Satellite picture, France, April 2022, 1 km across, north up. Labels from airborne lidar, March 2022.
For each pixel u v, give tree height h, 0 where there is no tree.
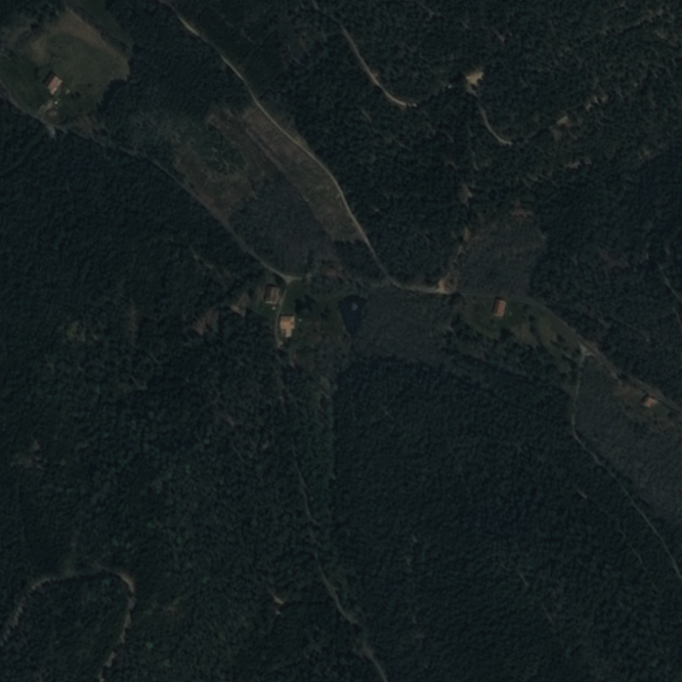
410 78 19
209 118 28
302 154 0
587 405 14
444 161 15
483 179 10
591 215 24
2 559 11
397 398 21
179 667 24
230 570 30
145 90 24
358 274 19
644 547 20
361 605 24
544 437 27
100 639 13
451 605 17
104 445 27
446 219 18
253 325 19
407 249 21
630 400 0
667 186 13
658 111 11
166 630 7
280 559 33
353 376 16
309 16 14
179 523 16
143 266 10
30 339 15
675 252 15
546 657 12
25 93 0
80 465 11
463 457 27
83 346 6
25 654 8
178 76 32
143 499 16
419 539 14
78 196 17
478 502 12
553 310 10
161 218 16
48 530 17
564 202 26
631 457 6
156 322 7
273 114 18
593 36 19
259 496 30
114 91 0
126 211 15
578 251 22
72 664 10
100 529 22
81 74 0
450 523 18
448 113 14
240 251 23
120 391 28
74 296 13
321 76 20
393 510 14
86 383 10
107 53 0
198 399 23
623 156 18
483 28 28
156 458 26
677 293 24
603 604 33
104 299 24
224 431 15
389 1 13
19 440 18
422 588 14
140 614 16
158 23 34
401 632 12
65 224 18
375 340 13
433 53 18
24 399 25
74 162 14
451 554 12
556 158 7
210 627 26
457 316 8
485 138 21
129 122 28
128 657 18
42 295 15
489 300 0
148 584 12
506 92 20
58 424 9
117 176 20
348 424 17
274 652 11
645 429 14
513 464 25
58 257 19
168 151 18
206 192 0
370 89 21
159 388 27
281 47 14
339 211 0
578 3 17
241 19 7
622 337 22
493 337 0
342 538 28
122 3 23
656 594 7
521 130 6
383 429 15
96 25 13
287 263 17
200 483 28
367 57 10
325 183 0
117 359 27
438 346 13
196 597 26
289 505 28
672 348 22
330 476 29
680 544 17
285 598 28
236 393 18
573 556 32
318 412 24
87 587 24
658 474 11
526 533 24
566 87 14
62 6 20
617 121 13
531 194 20
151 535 14
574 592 27
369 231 24
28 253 17
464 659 22
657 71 21
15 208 15
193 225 17
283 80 8
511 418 28
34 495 14
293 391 33
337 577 30
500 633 13
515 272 13
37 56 0
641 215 9
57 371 15
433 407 25
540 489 28
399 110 7
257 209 15
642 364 22
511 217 12
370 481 15
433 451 21
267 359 18
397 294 12
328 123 18
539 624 12
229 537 26
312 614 11
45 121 0
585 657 14
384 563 12
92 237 20
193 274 12
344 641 23
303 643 12
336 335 0
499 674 20
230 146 18
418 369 11
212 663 27
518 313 0
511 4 7
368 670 32
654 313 20
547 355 22
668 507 10
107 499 31
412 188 29
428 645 14
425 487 19
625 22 16
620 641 25
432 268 22
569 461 17
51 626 10
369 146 23
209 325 6
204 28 8
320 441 30
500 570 10
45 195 14
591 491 17
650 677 28
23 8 19
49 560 14
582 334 9
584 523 12
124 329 26
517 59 11
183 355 13
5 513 9
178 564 23
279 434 27
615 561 12
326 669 30
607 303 26
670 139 8
